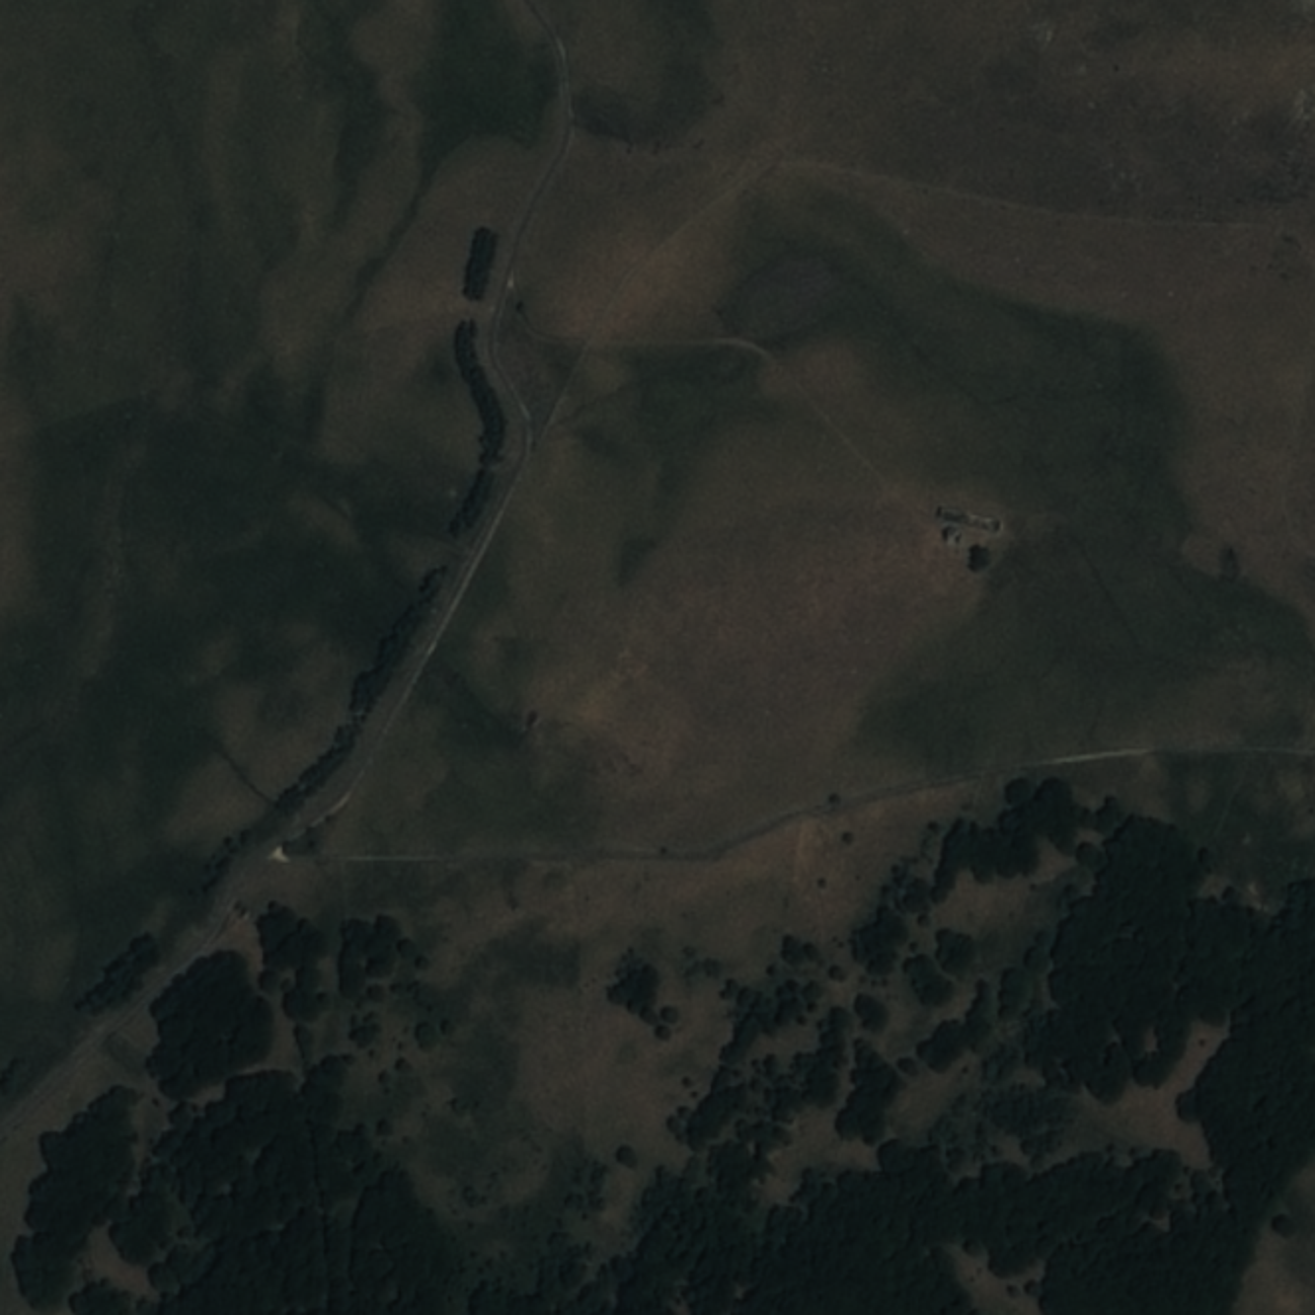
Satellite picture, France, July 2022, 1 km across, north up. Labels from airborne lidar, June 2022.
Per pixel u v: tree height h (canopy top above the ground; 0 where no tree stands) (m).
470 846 0
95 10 0
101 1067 0
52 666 0
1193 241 0
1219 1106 16
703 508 0
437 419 0
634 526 0
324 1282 13
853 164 0
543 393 0
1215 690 0
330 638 0
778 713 0
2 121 0
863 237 0
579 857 0
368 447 0
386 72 0
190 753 0
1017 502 0
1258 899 0
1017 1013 8
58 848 0
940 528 0
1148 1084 10
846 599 0
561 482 0
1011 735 0
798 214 0
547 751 0
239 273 0
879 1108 12
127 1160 12
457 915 0
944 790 0
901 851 0
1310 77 0
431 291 0
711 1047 0
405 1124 0
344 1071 12
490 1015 0
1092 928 15
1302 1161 16
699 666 0
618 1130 0
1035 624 0
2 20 0
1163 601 0
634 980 10
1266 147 0
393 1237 16
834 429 0
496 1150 0
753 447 0
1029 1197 11
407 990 7
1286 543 0
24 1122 0
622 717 0
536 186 0
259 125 0
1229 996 16
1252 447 0
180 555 0
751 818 0
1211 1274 15
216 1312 14
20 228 0
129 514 0
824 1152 0
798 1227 12
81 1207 16
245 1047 16
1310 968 14
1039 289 0
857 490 0
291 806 7
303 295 0
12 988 0
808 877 0
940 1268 10
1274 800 0
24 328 0
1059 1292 13
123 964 14
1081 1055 14
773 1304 13
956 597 0
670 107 0
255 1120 17
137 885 0
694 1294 12
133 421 0
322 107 0
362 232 0
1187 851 14
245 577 0
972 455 0
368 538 0
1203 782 0
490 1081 0
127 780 0
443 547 0
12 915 0
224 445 0
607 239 0
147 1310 6
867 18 0
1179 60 0
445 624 0
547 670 0
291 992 7
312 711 0
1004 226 0
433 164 0
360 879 0
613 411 0
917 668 0
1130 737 0
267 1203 15
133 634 0
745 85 0
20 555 0
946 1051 14
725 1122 8
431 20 0
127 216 0
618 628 0
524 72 0
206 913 0
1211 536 0
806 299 0
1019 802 14
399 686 0
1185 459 0
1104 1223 9
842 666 0
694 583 0
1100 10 0
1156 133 0
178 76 0
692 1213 12
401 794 0
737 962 0
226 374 0
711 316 0
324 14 0
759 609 0
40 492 0
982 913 0
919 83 0
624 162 0
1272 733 0
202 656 0
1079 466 0
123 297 0
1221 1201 14
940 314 0
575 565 0
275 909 10
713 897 0
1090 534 0
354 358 0
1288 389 0
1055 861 0
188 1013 18
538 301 0
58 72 0
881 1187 15
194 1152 15
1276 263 0
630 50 0
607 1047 0
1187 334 0
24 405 0
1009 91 0
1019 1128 12
